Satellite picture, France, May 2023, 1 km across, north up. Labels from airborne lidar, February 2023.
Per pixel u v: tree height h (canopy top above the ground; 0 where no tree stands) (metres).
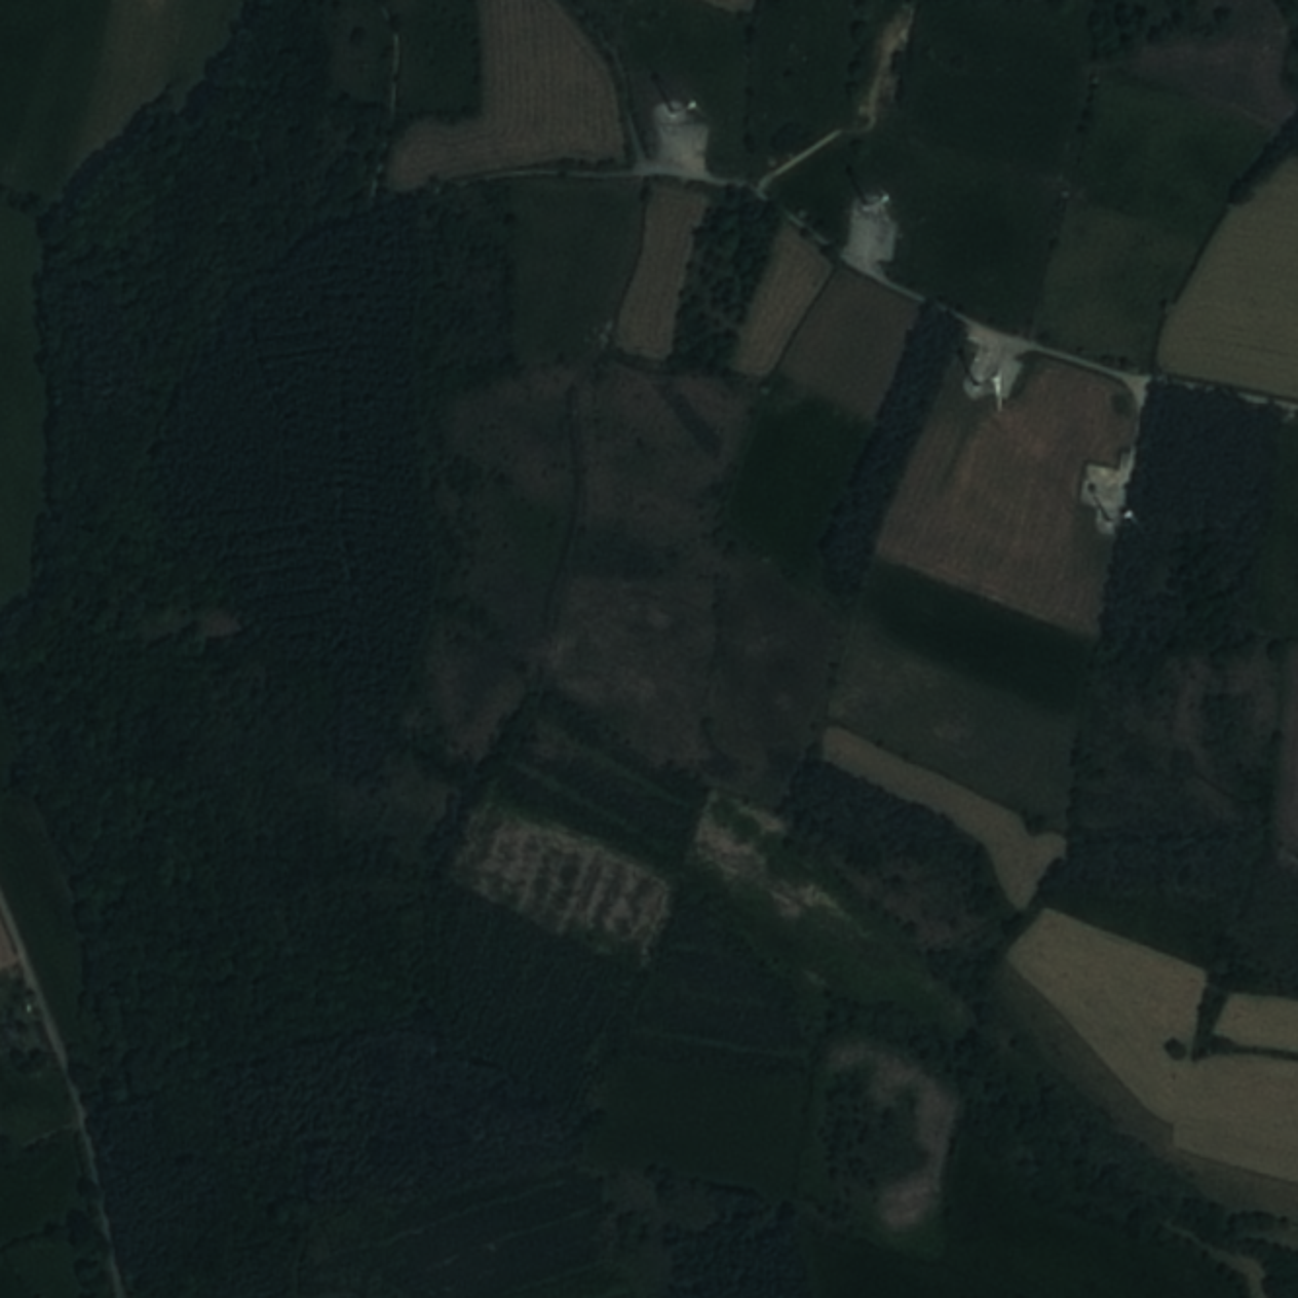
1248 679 0
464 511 6
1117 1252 0
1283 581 0
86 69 0
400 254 19
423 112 7
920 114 0
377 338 18
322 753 11
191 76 0
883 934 0
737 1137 0
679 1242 14
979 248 0
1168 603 15
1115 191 0
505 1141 15
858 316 0
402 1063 15
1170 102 0
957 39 0
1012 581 0
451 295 9
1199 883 14
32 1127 0
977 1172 0
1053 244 6
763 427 0
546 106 0
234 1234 17
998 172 0
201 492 18
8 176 0
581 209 0
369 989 11
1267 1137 0
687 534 0
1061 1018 0
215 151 20
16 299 0
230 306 10
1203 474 17
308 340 16
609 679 0
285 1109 24
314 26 16
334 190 12
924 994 0
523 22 0
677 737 0
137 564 15
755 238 14
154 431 11
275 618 16
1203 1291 0
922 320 12
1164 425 16
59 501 15
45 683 10
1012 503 0
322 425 17
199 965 8
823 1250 0
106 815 13
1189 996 0
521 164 0
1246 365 0
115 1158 24
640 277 0
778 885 0
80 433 18
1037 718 0
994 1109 12
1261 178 13
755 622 0
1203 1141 0
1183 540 12
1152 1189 18
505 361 6
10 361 0
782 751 0
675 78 0
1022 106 0
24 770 15
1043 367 0
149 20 0
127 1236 22
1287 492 0
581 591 0
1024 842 0
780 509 0
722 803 0
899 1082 0
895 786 0
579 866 0
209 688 6
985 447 0
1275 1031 0
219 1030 15
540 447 0
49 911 0
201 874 8
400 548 19
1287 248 0
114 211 23
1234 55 0
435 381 7
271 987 12
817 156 0
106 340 27
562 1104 7
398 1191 21
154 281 12
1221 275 0
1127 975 0
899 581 0
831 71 0
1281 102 0
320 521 16
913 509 0
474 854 0
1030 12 0
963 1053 14
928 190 0
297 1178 6
